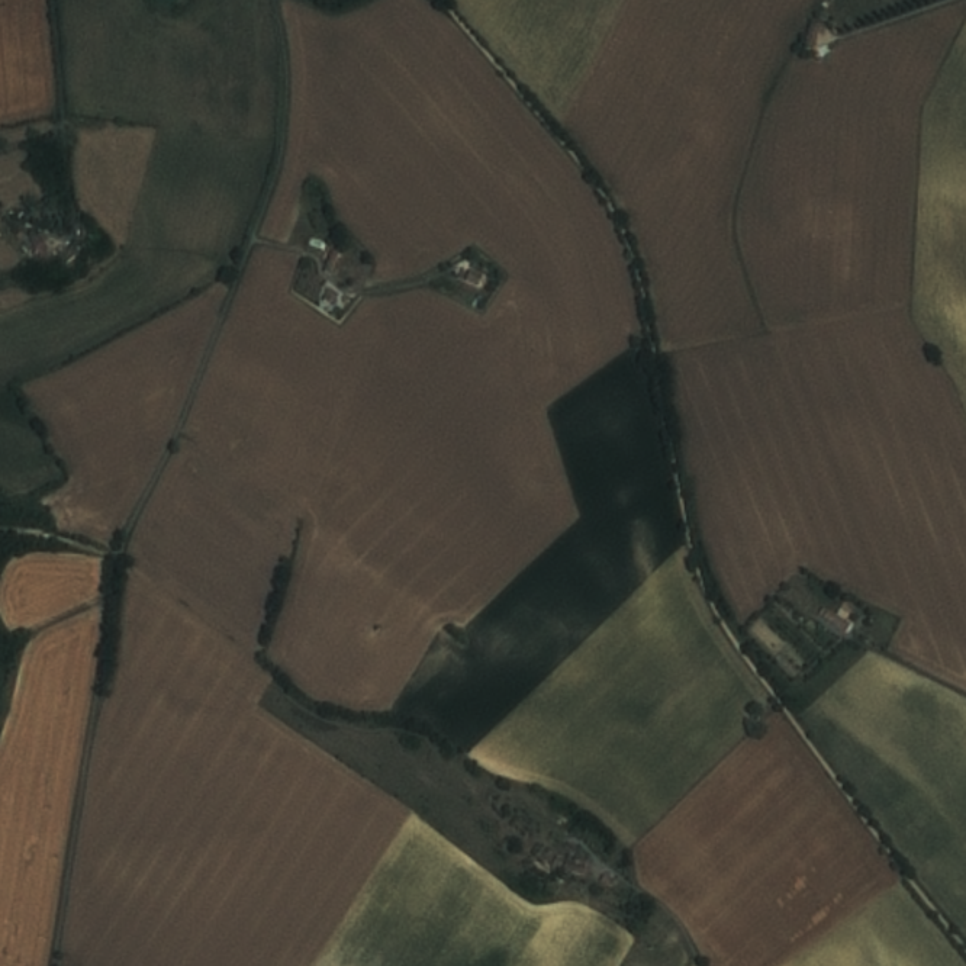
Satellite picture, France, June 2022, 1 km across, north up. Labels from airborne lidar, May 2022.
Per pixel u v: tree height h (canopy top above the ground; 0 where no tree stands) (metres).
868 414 0
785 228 0
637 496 0
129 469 0
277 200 0
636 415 0
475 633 0
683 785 0
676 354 0
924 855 0
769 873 0
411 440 0
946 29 0
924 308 0
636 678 0
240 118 0
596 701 0
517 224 0
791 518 0
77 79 0
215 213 0
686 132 0
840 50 0
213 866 0
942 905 0
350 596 0
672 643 0
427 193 0
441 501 0
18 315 0
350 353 0
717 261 0
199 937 0
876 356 0
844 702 0
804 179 0
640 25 0
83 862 0
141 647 0
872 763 0
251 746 0
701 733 0
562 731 0
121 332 6
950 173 0
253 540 0
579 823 11
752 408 0
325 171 0
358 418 0
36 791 0
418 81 0
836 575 0
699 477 0
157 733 0
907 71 0
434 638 0
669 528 0
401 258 0
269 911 0
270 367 0
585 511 0
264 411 0
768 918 0
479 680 0
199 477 0
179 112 0
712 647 0
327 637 0
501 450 0
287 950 0
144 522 0
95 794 0
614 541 0
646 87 0
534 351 0
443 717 0
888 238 0
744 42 0
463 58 0
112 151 0
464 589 0
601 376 0
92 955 0
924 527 0
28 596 0
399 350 0
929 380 0
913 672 0
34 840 0
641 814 0
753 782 0
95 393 0
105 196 0
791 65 0
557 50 0
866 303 0
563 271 0
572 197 0
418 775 0
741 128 0
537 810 0
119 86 0
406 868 0
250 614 0
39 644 0
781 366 0
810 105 0
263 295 0
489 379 0
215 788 0
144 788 0
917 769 0
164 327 0
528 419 0
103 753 0
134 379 0
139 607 0
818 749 0
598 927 0
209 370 0
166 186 0
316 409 0
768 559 0
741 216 0
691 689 0
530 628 0
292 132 0
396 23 0
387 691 0
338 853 0
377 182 0
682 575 0
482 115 0
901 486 0
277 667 10
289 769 0
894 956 0
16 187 0
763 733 16
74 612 0
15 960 0
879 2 0
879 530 0
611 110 0
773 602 9
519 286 0
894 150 0
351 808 0
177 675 0
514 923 0
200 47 0
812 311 0
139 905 0
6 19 0
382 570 0
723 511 0
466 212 0
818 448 0
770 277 0
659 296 0
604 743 0
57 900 0
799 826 0
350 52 0
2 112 0
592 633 0
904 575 0
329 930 0
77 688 0
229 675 0
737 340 0
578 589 0
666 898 0
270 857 0
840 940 0
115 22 0
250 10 0
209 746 0
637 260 11
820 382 0
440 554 0
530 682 0
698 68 0
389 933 0
